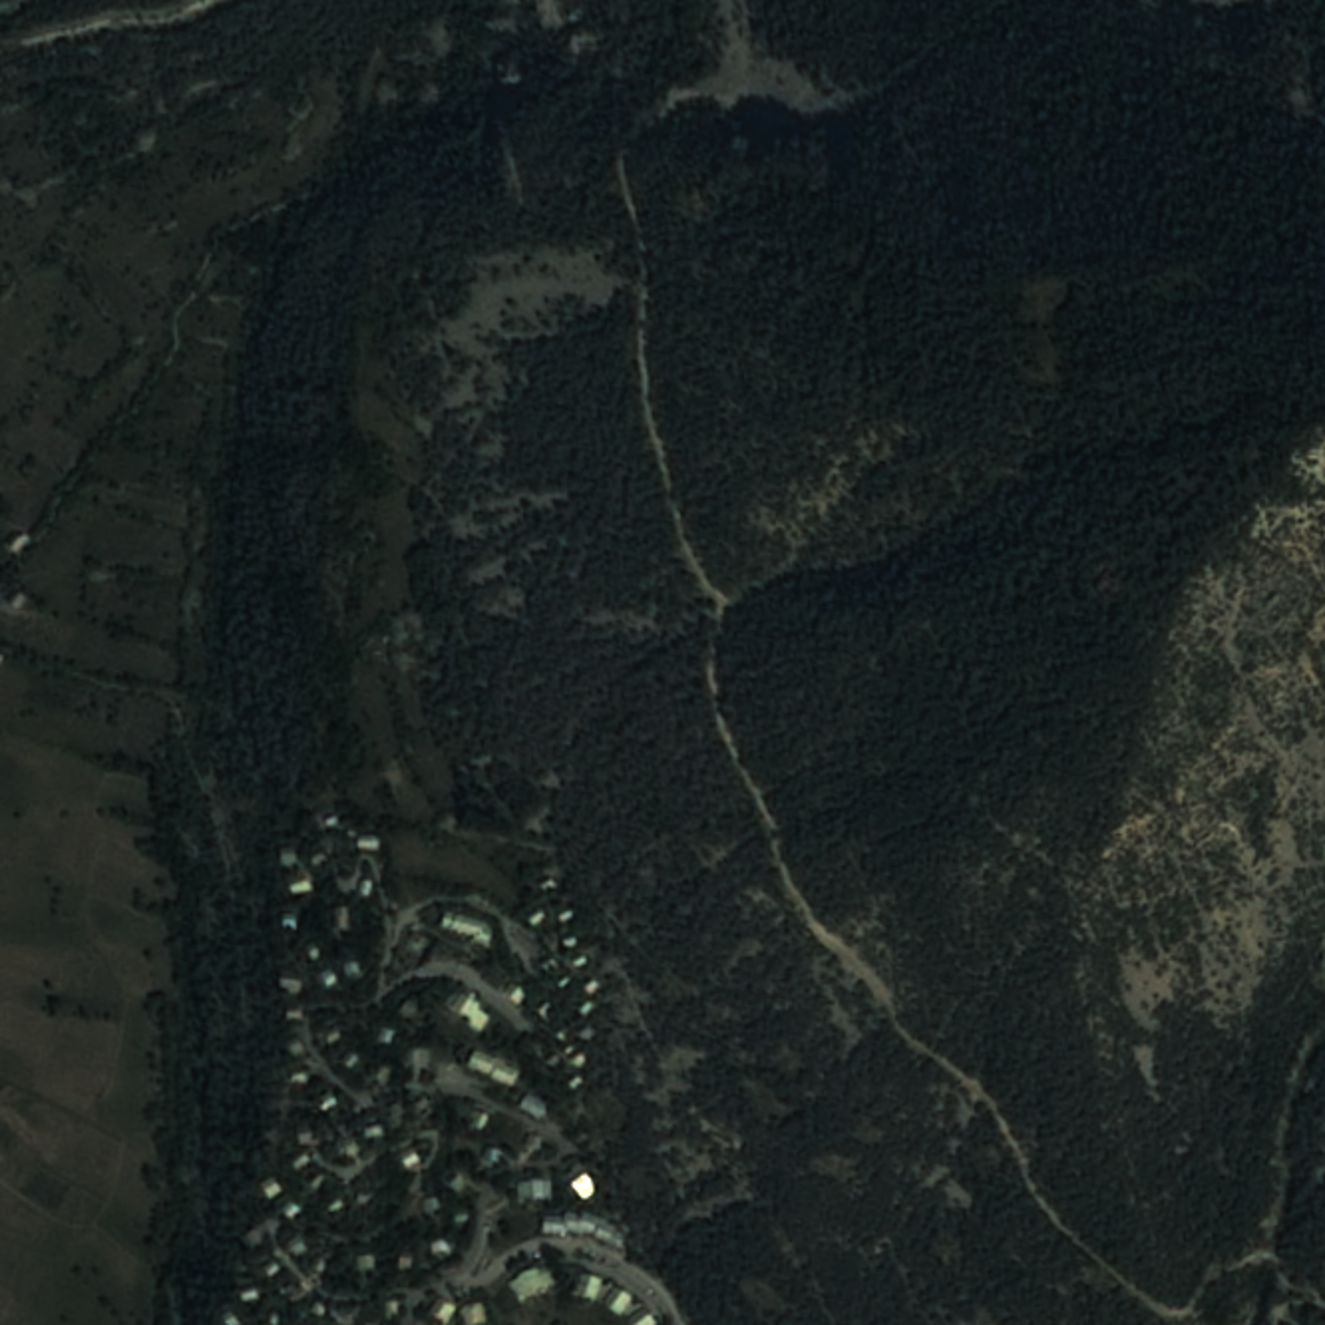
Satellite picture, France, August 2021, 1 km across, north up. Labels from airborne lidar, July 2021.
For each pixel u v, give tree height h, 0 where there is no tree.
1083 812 9
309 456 6
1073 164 9
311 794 6
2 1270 0
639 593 6
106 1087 0
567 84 12
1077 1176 7
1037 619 10
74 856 0
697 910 10
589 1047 11
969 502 6
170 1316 7
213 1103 11
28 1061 0
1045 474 14
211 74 9
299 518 13
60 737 0
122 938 0
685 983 9
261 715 12
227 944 6
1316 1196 7
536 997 7
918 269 11
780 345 7
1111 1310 9
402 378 8
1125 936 5
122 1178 0
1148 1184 7
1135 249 12
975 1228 8
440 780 0
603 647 6
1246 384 8
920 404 10
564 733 8
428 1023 7
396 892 7
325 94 0
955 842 10
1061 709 11
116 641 7
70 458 0
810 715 7
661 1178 9
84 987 0
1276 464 11
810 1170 7
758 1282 10
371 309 5
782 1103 9
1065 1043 10
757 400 7
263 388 10
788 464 6
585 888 7
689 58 8
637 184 8
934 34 12
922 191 6
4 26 9
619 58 7
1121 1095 7
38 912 0
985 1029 7
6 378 0
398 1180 10
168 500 0
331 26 9
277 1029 7
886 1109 9
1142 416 11
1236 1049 9
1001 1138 8
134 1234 0
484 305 0
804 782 8
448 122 13
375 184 12
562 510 11
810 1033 8
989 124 13
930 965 6
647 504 6
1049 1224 8
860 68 6
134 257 0
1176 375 12
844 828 12
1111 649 10
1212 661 6
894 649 14
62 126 7
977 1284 9
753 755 6
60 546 0
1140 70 9
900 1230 8
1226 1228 8
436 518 8
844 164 9
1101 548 16
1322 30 9
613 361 11
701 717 11
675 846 9
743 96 0
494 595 8
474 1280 0
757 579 7
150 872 0
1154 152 14
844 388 12
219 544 6
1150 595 12
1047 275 8
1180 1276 6
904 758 9
